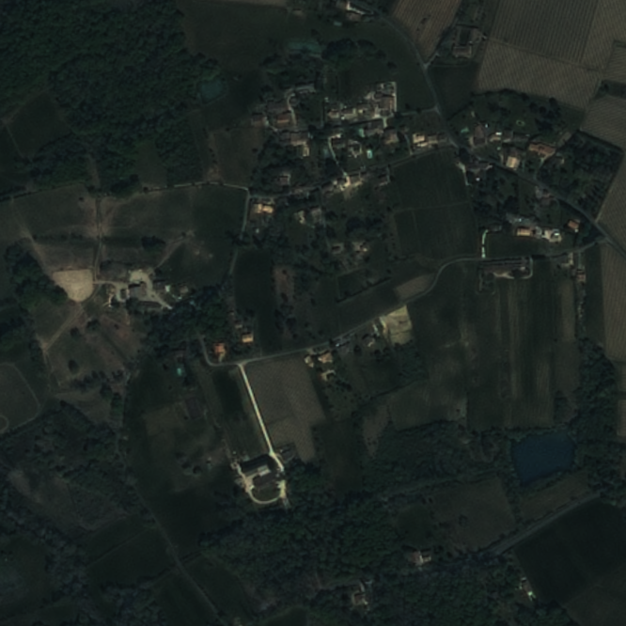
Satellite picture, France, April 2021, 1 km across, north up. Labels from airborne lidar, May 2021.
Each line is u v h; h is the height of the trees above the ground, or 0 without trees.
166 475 0
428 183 0
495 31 0
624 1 0
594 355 7
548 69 0
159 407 0
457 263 0
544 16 0
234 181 0
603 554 0
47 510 0
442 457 11
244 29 0
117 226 0
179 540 0
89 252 0
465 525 9
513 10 0
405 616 10
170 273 0
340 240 20
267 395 0
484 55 0
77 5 16
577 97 0
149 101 18
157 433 0
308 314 0
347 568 17
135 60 15
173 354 15
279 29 0
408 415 0
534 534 0
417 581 18
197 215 0
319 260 0
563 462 0
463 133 6
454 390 0
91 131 26
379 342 11
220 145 0
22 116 0
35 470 0
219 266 0
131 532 0
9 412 0
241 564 24
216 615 0
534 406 0
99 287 0
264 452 0
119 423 17
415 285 0
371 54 12
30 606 0
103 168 10
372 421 0
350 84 0
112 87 18
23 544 0
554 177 10
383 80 0
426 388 0
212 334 17
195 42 0
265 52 0
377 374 0
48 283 14
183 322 22
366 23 0
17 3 17
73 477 10
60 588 8
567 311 0
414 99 0
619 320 0
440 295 0
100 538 0
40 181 17
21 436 6
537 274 0
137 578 0
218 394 0
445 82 0
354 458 0
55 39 20
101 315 0
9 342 21
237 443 0
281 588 22
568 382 0
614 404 8
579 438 17
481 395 0
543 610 23
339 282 0
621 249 0
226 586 0
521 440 12
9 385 0
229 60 0
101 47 13
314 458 0
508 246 0
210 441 0
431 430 10
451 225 0
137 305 10
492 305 0
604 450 19
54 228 0
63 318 0
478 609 18
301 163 6
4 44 16
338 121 0
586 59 0
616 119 0
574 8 0
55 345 0
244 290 0
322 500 28
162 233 0
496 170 10
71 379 0
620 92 0
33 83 22
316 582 23
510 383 0
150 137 19
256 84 0
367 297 0
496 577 18
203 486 0
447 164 0
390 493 16
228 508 18
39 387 0
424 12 0
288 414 0
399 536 8
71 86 22
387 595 22
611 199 0
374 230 27
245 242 10
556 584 0
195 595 0
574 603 0
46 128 0
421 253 0
